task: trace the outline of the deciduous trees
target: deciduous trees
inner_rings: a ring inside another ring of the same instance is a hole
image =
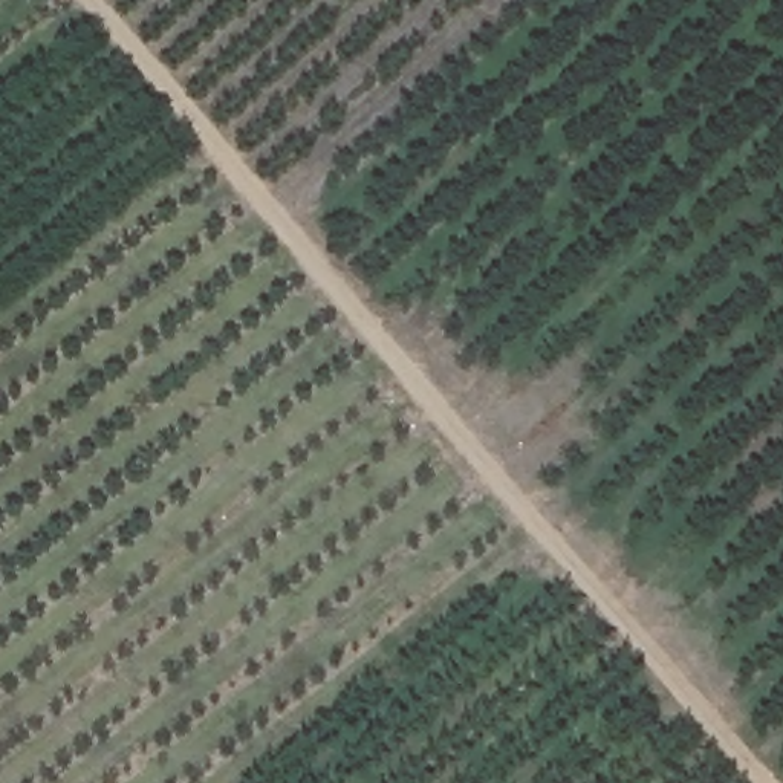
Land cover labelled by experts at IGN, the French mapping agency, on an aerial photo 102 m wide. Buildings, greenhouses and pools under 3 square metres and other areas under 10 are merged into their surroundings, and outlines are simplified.
[[[309,333],[318,333],[321,327],[340,330],[349,343],[355,343],[355,355],[364,355],[367,349],[355,327],[330,306],[309,315]]]
[[[98,563],[110,560],[110,544],[98,541],[92,554],[70,560],[61,578],[49,584],[52,596],[73,593],[80,575],[95,572]]]
[[[165,777],[165,783],[199,783],[202,774],[217,777],[223,768],[223,755],[236,749],[229,737],[220,737],[220,752],[211,755],[208,771],[199,771],[199,765],[187,762],[171,777]]]
[[[171,0],[168,6],[156,6],[138,31],[138,37],[159,55],[162,64],[171,67],[174,80],[187,89],[190,98],[199,101],[199,107],[217,125],[242,113],[245,104],[257,98],[257,92],[266,83],[278,80],[309,46],[330,34],[333,21],[340,18],[340,9],[327,6],[324,0],[272,0],[266,12],[257,15],[242,34],[226,37],[220,24],[232,15],[242,15],[248,0]]]
[[[132,278],[132,284],[119,294],[122,309],[128,309],[138,297],[147,297],[150,288],[162,284],[168,275],[174,275],[187,257],[199,254],[199,239],[190,236],[180,248],[165,251],[159,263],[150,263],[141,278]]]
[[[367,401],[376,401],[376,395],[382,395],[388,404],[407,404],[410,398],[410,392],[385,364],[376,376],[376,388],[364,388]]]
[[[196,667],[193,648],[184,648],[177,658],[168,658],[162,664],[168,682],[177,682],[184,670]]]
[[[18,725],[6,731],[6,737],[0,737],[0,759],[12,746],[18,746],[31,731],[37,731],[43,719],[24,716]]]
[[[18,312],[18,330],[21,336],[28,336],[31,324],[40,324],[52,309],[64,306],[64,300],[86,281],[101,278],[110,263],[122,260],[122,251],[135,248],[156,223],[171,220],[180,205],[199,202],[199,193],[220,177],[211,159],[202,153],[202,144],[190,119],[180,119],[171,110],[168,95],[156,92],[135,67],[132,55],[110,43],[104,21],[80,9],[73,0],[0,0],[0,309],[18,300],[34,281],[52,272],[58,263],[64,263],[76,245],[95,236],[107,220],[119,217],[135,196],[141,196],[141,190],[156,184],[159,177],[180,171],[187,162],[193,168],[205,168],[205,174],[193,187],[184,187],[171,199],[159,199],[153,211],[138,217],[132,232],[122,232],[122,239],[104,245],[98,257],[89,260],[89,269],[70,272],[46,297],[37,297],[28,312]]]
[[[21,505],[37,502],[40,486],[37,480],[24,480],[15,492],[9,492],[0,502],[0,523],[3,517],[18,514]]]
[[[288,92],[272,95],[266,110],[236,132],[236,144],[245,153],[245,162],[263,180],[284,174],[306,156],[324,162],[330,171],[321,190],[321,229],[333,266],[364,281],[370,306],[404,309],[413,303],[416,327],[443,327],[443,333],[456,346],[462,346],[462,352],[456,355],[462,367],[544,376],[566,355],[584,367],[575,398],[581,401],[581,413],[587,413],[596,434],[581,443],[566,443],[563,459],[557,465],[544,465],[538,471],[538,480],[544,486],[566,489],[569,505],[575,511],[572,520],[581,529],[609,532],[609,538],[621,547],[624,572],[636,584],[679,593],[682,624],[688,630],[707,630],[716,636],[716,661],[719,667],[737,676],[734,697],[740,710],[749,716],[737,728],[737,734],[755,752],[755,759],[777,774],[780,783],[783,783],[783,0],[385,0],[352,24],[352,31],[340,40],[336,52],[315,61],[312,70],[306,70]]]
[[[336,352],[315,367],[315,373],[306,382],[297,382],[300,398],[309,398],[318,385],[327,385],[330,373],[349,370],[346,352]]]
[[[110,309],[98,306],[73,333],[64,336],[67,358],[80,355],[83,343],[92,340],[95,330],[113,324]]]
[[[242,330],[254,327],[263,315],[272,315],[272,306],[281,303],[284,294],[300,288],[306,278],[306,272],[300,269],[272,278],[251,309],[242,309],[214,336],[205,336],[196,352],[187,352],[180,361],[150,376],[150,385],[135,392],[125,407],[116,407],[107,419],[98,419],[95,428],[86,437],[80,437],[76,447],[46,462],[46,483],[58,483],[58,471],[73,471],[98,447],[110,447],[116,431],[132,428],[135,416],[147,413],[153,401],[165,401],[171,392],[184,388],[193,373],[220,358],[223,349],[236,343]]]
[[[89,639],[89,618],[76,615],[67,630],[55,633],[58,648]]]
[[[147,508],[135,508],[119,523],[122,544],[132,544],[135,535],[150,529]]]
[[[52,541],[58,541],[73,523],[86,520],[89,511],[104,508],[104,502],[116,495],[128,480],[150,477],[153,462],[162,453],[177,450],[184,437],[190,437],[199,428],[199,419],[180,413],[177,422],[162,428],[147,443],[135,447],[125,456],[125,465],[110,468],[107,480],[101,486],[92,486],[83,502],[73,502],[64,511],[52,511],[9,554],[0,554],[0,584],[15,581],[18,569],[34,566]]]
[[[193,312],[211,309],[220,291],[248,275],[251,257],[232,254],[229,263],[214,269],[205,281],[196,281],[193,297],[177,300],[171,309],[159,315],[168,336],[174,336],[177,324],[184,324]]]
[[[333,703],[315,707],[312,719],[291,731],[278,746],[269,746],[260,759],[254,759],[242,771],[239,783],[749,783],[743,771],[737,771],[734,759],[728,759],[719,749],[719,743],[694,722],[694,716],[682,713],[667,719],[661,713],[661,697],[651,688],[655,676],[645,667],[645,658],[593,609],[593,603],[569,578],[538,578],[532,569],[526,569],[502,572],[492,584],[471,584],[459,599],[440,596],[431,603],[425,615],[407,621],[398,633],[388,633],[385,642],[373,648],[370,658],[343,682]]]
[[[43,615],[43,603],[31,593],[21,612],[9,612],[9,618],[0,624],[0,645],[6,645],[9,633],[21,633],[31,618]]]
[[[251,382],[257,382],[266,373],[266,367],[284,358],[278,346],[269,346],[232,373],[239,392],[248,392]]]
[[[125,367],[135,361],[135,346],[125,346],[119,355],[104,358],[58,401],[52,401],[49,410],[34,416],[28,425],[15,428],[15,434],[6,443],[0,443],[0,465],[12,459],[12,453],[28,450],[31,437],[46,434],[49,422],[73,410],[83,410],[95,392],[119,379]]]
[[[483,547],[499,538],[508,520],[505,514],[486,532],[477,532],[471,538],[471,547],[474,554],[483,554]]]

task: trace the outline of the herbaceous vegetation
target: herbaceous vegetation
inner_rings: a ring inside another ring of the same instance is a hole
[[[226,37],[242,34],[257,15],[266,12],[272,0],[248,0],[242,15],[232,15],[220,24]]]
[[[119,379],[95,392],[83,410],[73,410],[49,422],[46,434],[31,437],[28,450],[12,453],[12,459],[0,465],[0,502],[9,492],[15,492],[24,480],[37,480],[40,486],[37,502],[21,505],[18,514],[3,517],[0,523],[0,554],[9,554],[52,511],[64,511],[73,502],[83,502],[92,486],[101,486],[107,480],[110,468],[125,465],[125,456],[135,447],[147,443],[162,428],[177,422],[180,413],[199,419],[199,428],[190,437],[184,437],[177,450],[162,453],[153,462],[150,477],[128,480],[116,495],[104,502],[104,508],[89,511],[86,520],[73,523],[58,541],[52,541],[34,566],[18,569],[15,581],[0,584],[0,624],[9,618],[9,612],[21,612],[31,593],[43,603],[43,615],[31,618],[21,633],[9,633],[6,645],[0,645],[0,737],[6,737],[6,731],[18,725],[24,716],[43,719],[37,731],[31,731],[18,746],[12,746],[0,759],[0,783],[165,783],[165,777],[171,777],[187,762],[199,765],[199,771],[208,771],[211,755],[220,752],[220,737],[229,737],[236,749],[223,755],[223,768],[217,777],[202,774],[199,783],[239,783],[242,771],[254,759],[260,759],[269,746],[278,746],[291,731],[312,719],[315,707],[333,703],[343,682],[370,658],[373,648],[385,642],[388,633],[398,633],[407,621],[425,615],[431,603],[440,596],[459,599],[471,584],[492,584],[502,572],[526,569],[523,541],[529,535],[523,532],[523,526],[508,520],[499,538],[483,547],[483,554],[474,554],[471,547],[471,538],[477,532],[486,532],[505,514],[495,495],[486,495],[474,505],[459,505],[462,477],[456,465],[437,456],[437,447],[431,440],[413,437],[407,428],[404,416],[416,404],[410,398],[407,404],[388,404],[382,395],[376,395],[376,401],[367,401],[364,388],[376,388],[376,376],[385,364],[367,349],[364,355],[355,355],[355,343],[349,343],[340,330],[321,327],[318,333],[309,333],[309,315],[330,306],[330,300],[306,278],[300,288],[284,294],[281,303],[272,306],[272,315],[263,315],[254,327],[242,330],[236,343],[223,349],[220,358],[193,373],[184,388],[171,392],[165,401],[153,401],[147,413],[135,416],[132,428],[116,431],[110,447],[98,447],[73,471],[58,471],[58,483],[46,483],[46,462],[76,447],[80,437],[86,437],[95,428],[98,419],[107,419],[116,407],[125,407],[135,392],[150,385],[150,376],[180,361],[187,352],[196,352],[205,336],[214,336],[242,309],[251,309],[272,278],[300,269],[294,254],[275,239],[275,232],[251,208],[242,205],[239,193],[229,187],[226,177],[220,177],[199,193],[199,202],[180,205],[171,220],[156,223],[135,248],[122,251],[122,260],[110,263],[101,278],[86,281],[64,300],[64,306],[52,309],[40,324],[31,324],[28,336],[21,336],[18,330],[18,312],[28,312],[37,297],[46,297],[70,272],[89,269],[89,260],[98,257],[104,245],[122,239],[122,232],[132,232],[138,217],[153,211],[159,199],[171,199],[184,187],[193,187],[205,174],[205,168],[193,168],[187,162],[180,171],[159,177],[156,184],[141,190],[141,196],[135,196],[119,217],[107,220],[95,236],[76,245],[64,263],[58,263],[52,272],[34,281],[18,300],[0,309],[0,443],[6,443],[15,434],[15,428],[28,425],[34,416],[49,410],[52,401],[58,401],[104,358],[119,355],[125,346],[135,346],[135,361],[125,367]],[[187,257],[174,275],[168,275],[162,284],[150,288],[147,297],[138,297],[128,309],[122,309],[119,294],[132,284],[132,278],[141,278],[150,263],[159,263],[165,251],[180,248],[190,236],[199,239],[199,254]],[[177,300],[193,297],[196,281],[205,281],[214,269],[229,263],[232,254],[251,257],[248,275],[220,291],[211,309],[193,312],[184,324],[177,324],[174,336],[168,336],[159,315],[171,309]],[[80,355],[67,358],[64,336],[73,333],[98,306],[110,309],[113,324],[95,330],[92,340],[83,343]],[[257,382],[251,382],[248,392],[239,392],[232,373],[269,346],[278,346],[284,358],[266,367],[266,373]],[[315,367],[336,352],[346,352],[349,370],[330,373],[327,385],[318,385],[309,398],[300,398],[297,382],[306,382],[315,373]],[[135,535],[132,544],[122,544],[119,523],[135,508],[147,508],[150,529]],[[92,554],[98,541],[110,544],[110,560],[98,563],[95,572],[80,575],[73,593],[52,596],[49,584],[61,578],[70,560]],[[76,615],[89,618],[89,639],[58,648],[55,633],[67,630]],[[177,658],[184,648],[193,648],[196,667],[184,670],[177,682],[168,682],[162,664],[168,658]]]
[[[171,0],[110,0],[116,12],[128,21],[128,28],[138,31],[156,6],[168,6]]]
[[[324,0],[327,6],[340,9],[340,18],[333,21],[330,34],[309,46],[278,80],[266,83],[257,92],[257,98],[245,104],[242,113],[217,125],[223,138],[236,144],[236,132],[266,110],[272,95],[288,92],[306,70],[312,70],[315,61],[336,52],[340,40],[352,31],[352,24],[385,0]]]

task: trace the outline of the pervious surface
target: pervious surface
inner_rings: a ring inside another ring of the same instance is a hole
[[[226,177],[229,187],[239,193],[242,205],[251,208],[275,232],[275,239],[294,254],[300,269],[306,272],[306,278],[330,300],[330,306],[355,327],[367,349],[385,364],[410,392],[410,398],[416,404],[404,416],[407,428],[413,437],[431,440],[437,447],[437,456],[456,465],[462,477],[459,505],[474,505],[486,495],[495,495],[505,514],[508,520],[523,526],[523,532],[529,535],[523,541],[526,569],[532,569],[538,578],[569,578],[593,603],[593,609],[645,658],[645,667],[655,676],[651,688],[661,697],[661,713],[667,719],[682,713],[694,716],[694,722],[719,743],[719,749],[728,759],[734,759],[737,771],[743,771],[749,783],[780,783],[777,774],[755,759],[755,752],[737,734],[737,728],[749,716],[740,710],[734,697],[737,676],[719,667],[716,661],[716,636],[707,630],[688,630],[682,624],[679,593],[636,584],[624,572],[621,547],[609,538],[609,532],[581,529],[572,520],[575,511],[569,505],[566,489],[544,486],[538,480],[538,471],[544,465],[557,465],[563,459],[566,443],[581,443],[596,434],[587,413],[581,413],[581,401],[575,398],[584,367],[566,355],[544,376],[462,367],[456,355],[462,352],[462,346],[456,346],[443,333],[443,327],[416,327],[413,303],[404,309],[370,306],[364,281],[333,266],[321,229],[321,190],[330,171],[324,162],[306,156],[284,174],[263,180],[245,162],[245,153],[236,144],[223,138],[217,125],[199,107],[199,101],[190,98],[187,89],[174,80],[171,67],[162,64],[159,55],[138,37],[138,31],[128,28],[128,21],[116,12],[110,0],[73,0],[80,9],[104,21],[110,43],[132,55],[135,67],[156,92],[168,95],[171,110],[180,119],[190,119],[202,144],[202,153],[211,159],[220,177]]]

